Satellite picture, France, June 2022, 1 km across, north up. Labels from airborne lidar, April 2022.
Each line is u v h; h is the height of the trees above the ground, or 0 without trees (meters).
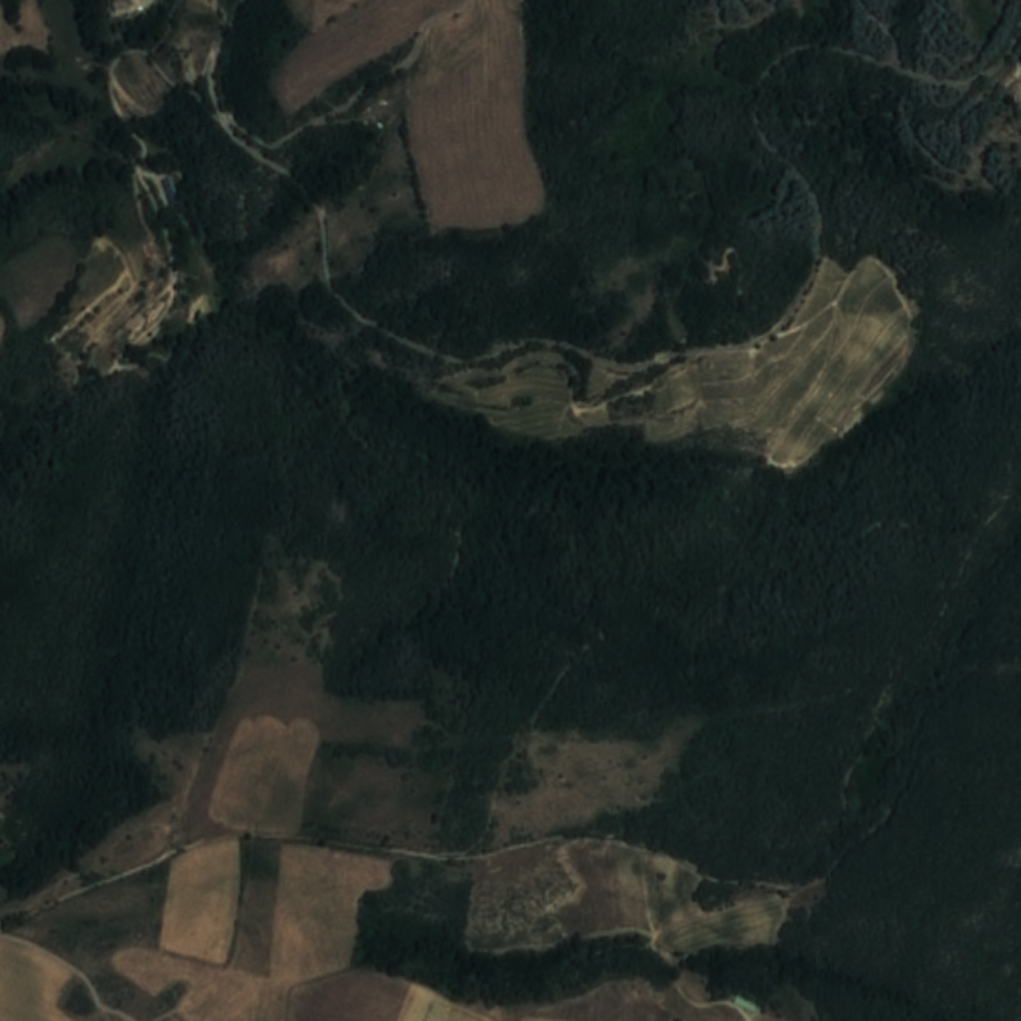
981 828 10
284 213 12
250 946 0
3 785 6
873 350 0
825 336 0
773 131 12
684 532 9
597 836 7
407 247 7
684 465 15
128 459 11
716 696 10
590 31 15
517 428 0
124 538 14
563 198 9
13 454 15
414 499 12
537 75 11
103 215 11
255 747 0
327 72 0
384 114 0
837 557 10
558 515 17
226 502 9
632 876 0
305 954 0
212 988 0
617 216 7
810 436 0
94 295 0
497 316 12
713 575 9
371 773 0
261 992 0
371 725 0
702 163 16
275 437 12
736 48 10
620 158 16
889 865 8
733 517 8
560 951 6
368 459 8
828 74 6
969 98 11
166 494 6
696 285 8
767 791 7
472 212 0
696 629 13
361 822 0
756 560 14
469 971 10
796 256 8
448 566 7
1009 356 10
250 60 7
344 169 10
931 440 9
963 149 17
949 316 7
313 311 11
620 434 9
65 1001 0
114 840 0
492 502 10
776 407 0
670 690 11
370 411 13
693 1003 0
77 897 0
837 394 0
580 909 0
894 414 16
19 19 9
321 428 13
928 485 12
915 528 10
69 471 11
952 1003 7
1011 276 6
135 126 21
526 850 0
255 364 12
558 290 13
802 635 8
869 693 6
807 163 12
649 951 8
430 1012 0
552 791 0
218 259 11
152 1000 0
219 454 10
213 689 10
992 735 6
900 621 8
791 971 13
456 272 7
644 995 0
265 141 6
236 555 9
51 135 9
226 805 0
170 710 7
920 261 9
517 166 0
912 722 7
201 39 0
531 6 13
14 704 10
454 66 0
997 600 9
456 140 0
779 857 7
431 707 7
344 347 7
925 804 8
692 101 13
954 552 6
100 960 0
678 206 7
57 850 10
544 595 12
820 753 7
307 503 7
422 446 15
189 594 12
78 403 15
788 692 7
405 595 8
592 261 7
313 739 0
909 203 13
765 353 0
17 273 0
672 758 0
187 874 0
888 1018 9
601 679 9
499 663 9
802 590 8
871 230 12
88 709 13
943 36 17
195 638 8
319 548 7
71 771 10
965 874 7
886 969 5
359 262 0
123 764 5
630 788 0
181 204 18
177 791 0
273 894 0
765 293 9
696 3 6
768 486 8
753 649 9
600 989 0
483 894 0
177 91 10
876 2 18
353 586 8
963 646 10
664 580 10
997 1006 7
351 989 0
